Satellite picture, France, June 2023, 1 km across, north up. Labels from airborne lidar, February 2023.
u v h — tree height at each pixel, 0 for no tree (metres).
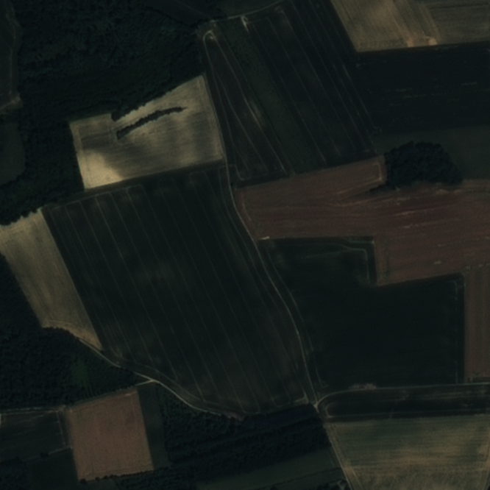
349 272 0
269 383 0
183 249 0
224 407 0
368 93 0
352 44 0
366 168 0
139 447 0
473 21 0
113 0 7
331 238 0
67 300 0
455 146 0
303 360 0
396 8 0
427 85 0
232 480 0
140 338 0
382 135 0
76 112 10
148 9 12
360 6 0
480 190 0
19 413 0
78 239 0
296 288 0
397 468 0
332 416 0
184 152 0
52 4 16
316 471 0
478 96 0
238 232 0
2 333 14
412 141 0
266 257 0
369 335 0
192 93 0
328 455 0
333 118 0
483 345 0
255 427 29
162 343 0
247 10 0
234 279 0
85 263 0
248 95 0
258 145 0
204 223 0
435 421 0
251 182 0
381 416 0
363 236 0
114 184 0
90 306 0
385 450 0
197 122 0
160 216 0
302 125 0
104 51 15
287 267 0
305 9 0
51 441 0
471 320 0
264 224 0
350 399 0
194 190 0
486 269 0
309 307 0
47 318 0
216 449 30
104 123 0
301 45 0
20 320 23
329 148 0
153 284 0
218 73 0
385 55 0
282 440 18
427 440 0
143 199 0
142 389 0
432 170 22
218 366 0
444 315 0
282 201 0
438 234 0
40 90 14
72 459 0
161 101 0
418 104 0
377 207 0
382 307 0
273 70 0
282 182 0
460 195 0
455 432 0
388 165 8
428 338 0
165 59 11
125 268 0
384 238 0
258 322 0
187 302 0
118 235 0
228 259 0
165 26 11
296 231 0
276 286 0
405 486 0
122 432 0
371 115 0
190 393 0
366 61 0
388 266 0
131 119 0
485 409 0
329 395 0
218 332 0
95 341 0
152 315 0
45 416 0
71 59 24
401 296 0
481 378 0
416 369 0
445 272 0
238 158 0
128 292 0
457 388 0
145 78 9
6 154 0
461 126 0
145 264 0
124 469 0
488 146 0
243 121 0
